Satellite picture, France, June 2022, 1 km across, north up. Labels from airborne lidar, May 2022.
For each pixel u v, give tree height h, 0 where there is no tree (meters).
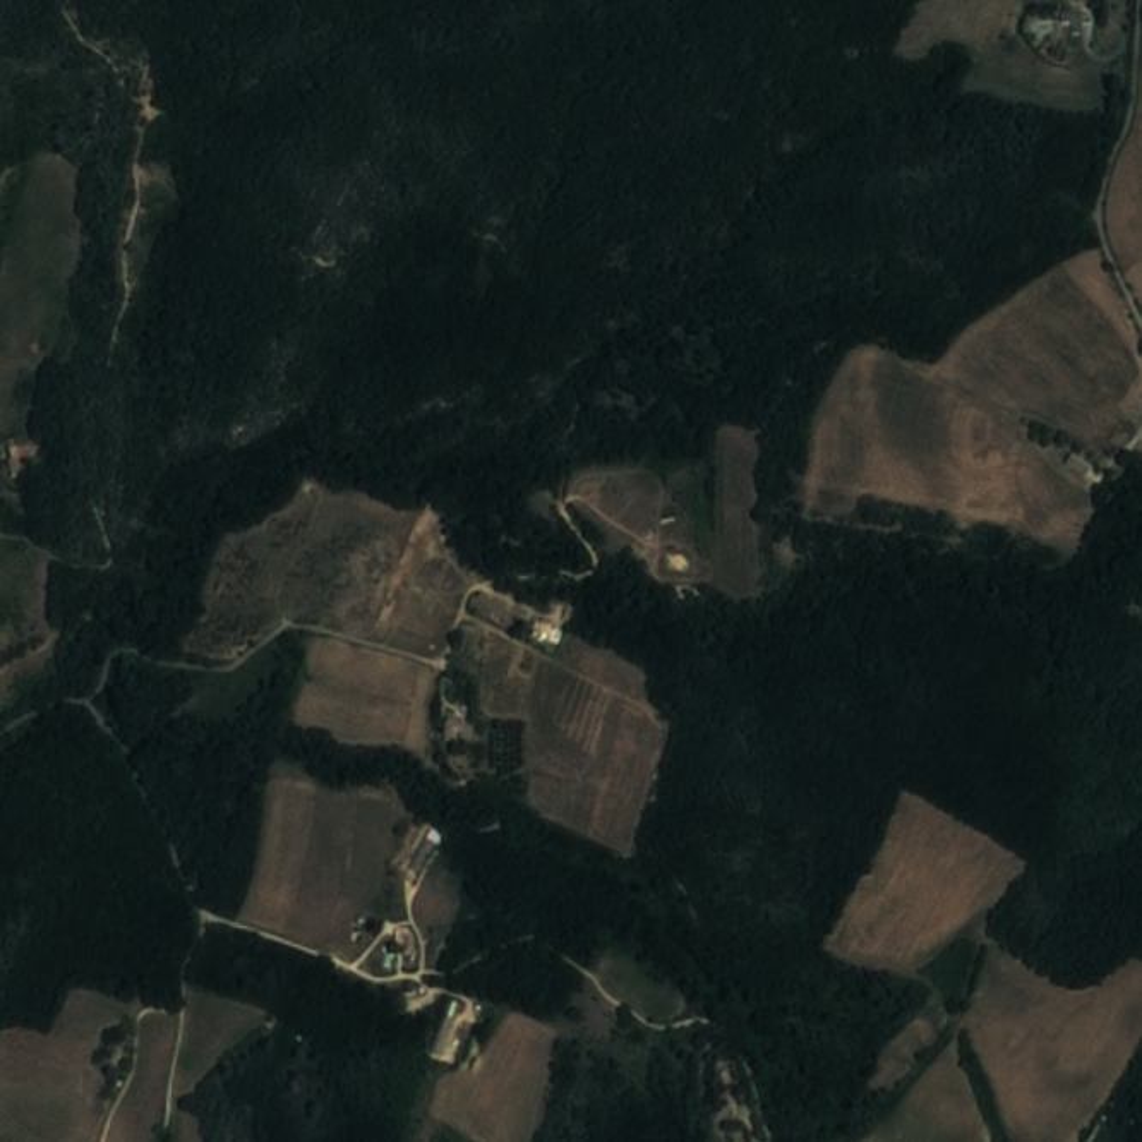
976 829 8
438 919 0
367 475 15
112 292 7
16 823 8
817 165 9
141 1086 0
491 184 9
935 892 0
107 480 9
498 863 18
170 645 11
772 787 8
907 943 0
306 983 8
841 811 9
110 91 10
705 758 9
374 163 10
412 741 0
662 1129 13
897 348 10
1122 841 6
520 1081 0
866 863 9
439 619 0
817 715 8
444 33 11
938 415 0
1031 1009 0
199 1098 6
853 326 11
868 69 8
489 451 7
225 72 12
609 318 10
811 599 10
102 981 14
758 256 9
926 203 7
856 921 0
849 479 0
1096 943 12
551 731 0
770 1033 6
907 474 0
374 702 0
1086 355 0
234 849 17
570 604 10
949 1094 0
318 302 11
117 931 6
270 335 11
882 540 11
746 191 16
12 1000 5
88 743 7
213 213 12
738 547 0
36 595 0
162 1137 11
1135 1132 11
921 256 8
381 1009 12
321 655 0
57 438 10
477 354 10
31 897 6
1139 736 11
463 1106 0
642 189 13
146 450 9
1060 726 7
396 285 6
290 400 8
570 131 17
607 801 0
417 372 7
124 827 6
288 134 8
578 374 11
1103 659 9
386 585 0
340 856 0
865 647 10
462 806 19
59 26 6
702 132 10
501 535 20
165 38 15
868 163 9
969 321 7
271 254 8
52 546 8
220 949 9
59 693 14
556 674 0
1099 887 15
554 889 16
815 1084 9
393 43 14
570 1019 10
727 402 16
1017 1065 0
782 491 10
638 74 13
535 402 13
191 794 11
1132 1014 0
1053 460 0
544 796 0
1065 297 0
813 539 12
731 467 0
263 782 13
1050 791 6
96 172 10
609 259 6
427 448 11
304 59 11
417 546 0
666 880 6
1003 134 13
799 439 8
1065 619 14
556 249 12
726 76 9
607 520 0
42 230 0
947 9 0
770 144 14
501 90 10
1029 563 8
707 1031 7
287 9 9
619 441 19
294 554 0
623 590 11
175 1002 13
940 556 9
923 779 8
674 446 14
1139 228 0
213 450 14
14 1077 0
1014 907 14
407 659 0
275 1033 6
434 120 9
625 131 12
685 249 9
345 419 11
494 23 8
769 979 6
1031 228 6
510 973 15
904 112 10
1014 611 19
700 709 9
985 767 7
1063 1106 0
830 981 5
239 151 10
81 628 17
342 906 0
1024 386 0
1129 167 0
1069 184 7
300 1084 19
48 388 13
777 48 12
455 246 7
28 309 0
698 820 6
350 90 13
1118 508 17
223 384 10
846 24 9
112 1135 0
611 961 0
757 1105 8
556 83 10
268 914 0
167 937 8
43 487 8
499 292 11
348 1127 7
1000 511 0
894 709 10
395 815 0
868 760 10
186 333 16
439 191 12
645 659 13
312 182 8
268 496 19
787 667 12
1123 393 0
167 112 7
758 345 18
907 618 12
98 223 13
